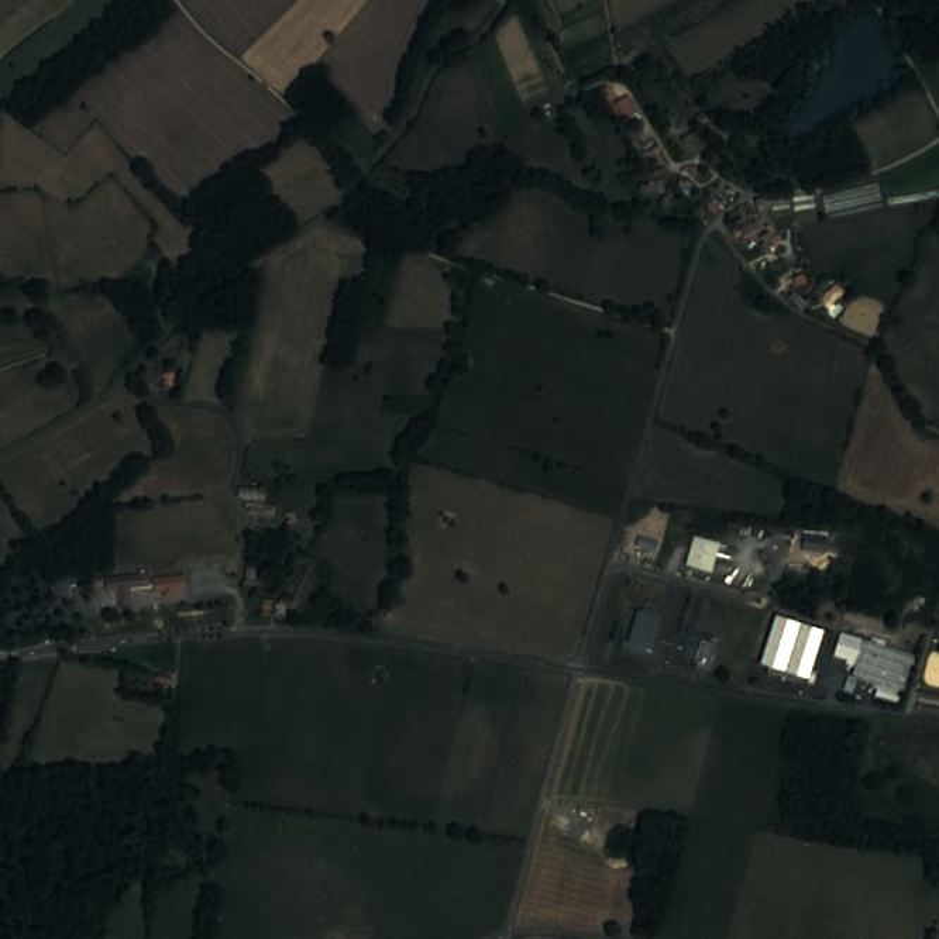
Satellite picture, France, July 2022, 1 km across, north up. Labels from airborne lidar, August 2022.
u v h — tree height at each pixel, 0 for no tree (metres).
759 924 0
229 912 0
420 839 0
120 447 0
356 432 0
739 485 0
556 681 0
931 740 0
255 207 23
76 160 0
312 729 0
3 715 22
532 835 0
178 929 0
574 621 0
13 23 0
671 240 0
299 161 0
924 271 0
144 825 15
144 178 22
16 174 0
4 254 0
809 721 10
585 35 0
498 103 0
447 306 0
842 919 0
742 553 0
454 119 0
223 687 0
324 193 0
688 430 9
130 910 0
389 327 0
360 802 0
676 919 0
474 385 0
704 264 0
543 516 0
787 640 0
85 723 0
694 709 0
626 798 0
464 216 17
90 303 0
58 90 9
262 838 0
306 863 0
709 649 0
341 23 0
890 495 0
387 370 0
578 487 0
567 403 0
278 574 18
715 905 0
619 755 0
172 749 16
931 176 0
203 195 17
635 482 0
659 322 16
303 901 0
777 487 0
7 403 0
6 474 0
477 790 0
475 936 0
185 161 0
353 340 20
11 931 29
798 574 0
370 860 0
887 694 0
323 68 10
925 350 0
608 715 0
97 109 0
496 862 0
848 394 0
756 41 9
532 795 0
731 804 0
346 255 0
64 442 0
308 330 0
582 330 0
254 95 0
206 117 0
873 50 0
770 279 8
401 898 0
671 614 0
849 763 5
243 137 0
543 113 13
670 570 0
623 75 20
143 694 13
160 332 11
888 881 0
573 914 0
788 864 0
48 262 0
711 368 0
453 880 0
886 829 18
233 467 0
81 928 16
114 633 0
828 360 0
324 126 17
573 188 20
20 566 15
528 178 23
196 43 0
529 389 0
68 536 23
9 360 0
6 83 0
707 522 6
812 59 21
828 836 6
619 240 0
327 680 0
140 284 13
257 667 0
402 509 19
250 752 0
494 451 0
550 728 0
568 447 0
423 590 0
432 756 0
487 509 0
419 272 0
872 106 10
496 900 0
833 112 0
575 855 0
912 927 0
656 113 9
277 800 0
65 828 24
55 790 27
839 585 13
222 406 0
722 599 0
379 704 0
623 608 0
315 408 0
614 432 0
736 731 0
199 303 19
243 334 8
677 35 0
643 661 0
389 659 0
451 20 0
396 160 0
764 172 16
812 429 0
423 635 0
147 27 17
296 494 0
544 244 0
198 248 25
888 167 0
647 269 0
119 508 12
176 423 0
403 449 16
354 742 0
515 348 0
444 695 0
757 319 0
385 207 24
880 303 0
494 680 0
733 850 0
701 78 7
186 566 0
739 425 0
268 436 0
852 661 0
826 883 0
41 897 24
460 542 0
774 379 0
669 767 0
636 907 17
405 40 0
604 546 0
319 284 0
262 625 0
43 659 0
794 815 7
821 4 8
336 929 0
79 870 20
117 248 0
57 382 15
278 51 0
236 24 0
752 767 0
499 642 0
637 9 0
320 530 12
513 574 0
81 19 0
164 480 0
